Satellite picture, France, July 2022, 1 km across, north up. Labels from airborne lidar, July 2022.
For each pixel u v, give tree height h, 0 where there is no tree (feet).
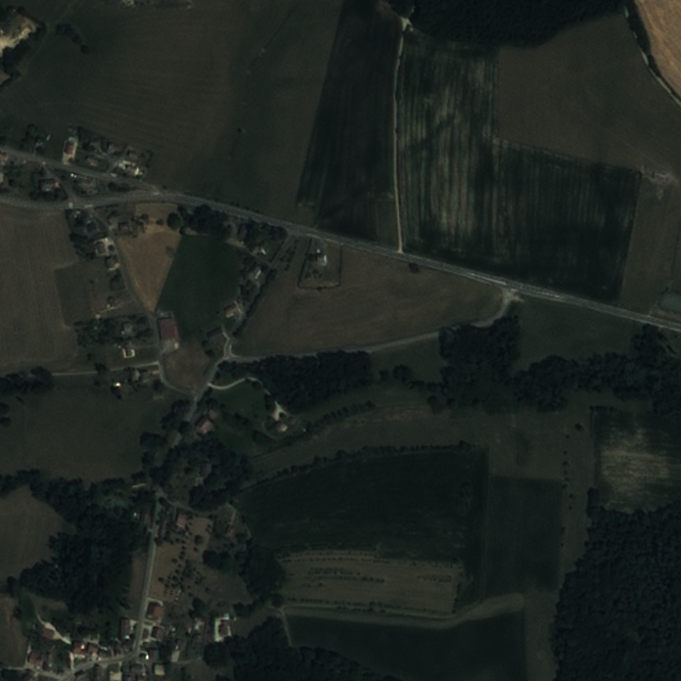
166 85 0
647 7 0
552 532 0
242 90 0
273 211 0
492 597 0
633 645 66
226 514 0
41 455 0
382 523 0
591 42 0
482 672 0
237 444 0
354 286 0
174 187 0
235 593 0
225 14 0
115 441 0
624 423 0
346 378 78
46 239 0
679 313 0
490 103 0
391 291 0
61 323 0
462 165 0
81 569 100
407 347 0
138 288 0
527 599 0
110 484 61
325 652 62
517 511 0
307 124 0
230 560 69
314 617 0
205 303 0
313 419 0
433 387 43
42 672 0
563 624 48
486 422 0
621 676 59
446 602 0
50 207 0
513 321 57
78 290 0
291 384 92
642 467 0
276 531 0
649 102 0
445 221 0
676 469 0
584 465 0
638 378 99
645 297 0
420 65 0
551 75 0
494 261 0
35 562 0
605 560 28
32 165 0
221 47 0
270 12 0
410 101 0
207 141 0
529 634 0
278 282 0
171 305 0
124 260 0
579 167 0
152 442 71
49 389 62
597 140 0
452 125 0
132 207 0
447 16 81
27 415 0
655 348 24
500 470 0
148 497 42
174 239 0
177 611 0
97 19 0
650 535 41
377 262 0
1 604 0
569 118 0
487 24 55
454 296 0
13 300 0
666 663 65
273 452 0
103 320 21
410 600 0
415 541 0
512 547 0
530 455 0
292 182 0
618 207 0
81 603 113
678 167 0
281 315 0
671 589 95
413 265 44
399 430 0
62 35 56
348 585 0
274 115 0
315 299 0
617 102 0
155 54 0
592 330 0
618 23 0
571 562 0
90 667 0
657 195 0
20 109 0
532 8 71
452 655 0
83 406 0
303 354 0
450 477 0
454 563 22
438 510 0
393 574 0
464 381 70
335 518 0
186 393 0
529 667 0
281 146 0
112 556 95
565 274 0
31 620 0
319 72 0
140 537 22
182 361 0
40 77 0
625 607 58
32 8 0
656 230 0
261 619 0
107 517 81
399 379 29
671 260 0
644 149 0
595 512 61
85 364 0
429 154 0
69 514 72
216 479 54
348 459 50
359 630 0
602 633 73
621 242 0
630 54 0
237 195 0
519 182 0
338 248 0
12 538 0
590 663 60
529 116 0
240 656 67
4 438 0
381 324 0
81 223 38
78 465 0
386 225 0
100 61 0
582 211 0
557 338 0
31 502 0
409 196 0
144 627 0
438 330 0
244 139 0
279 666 56
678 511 25
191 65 0
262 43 0
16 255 0
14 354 0
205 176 0
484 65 0
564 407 59
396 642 0
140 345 0
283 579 39
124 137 0
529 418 0
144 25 0
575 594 65
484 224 0
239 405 0
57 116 0
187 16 0
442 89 0
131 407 0
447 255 0
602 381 71
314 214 0
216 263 0
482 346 91
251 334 0
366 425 0
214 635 0
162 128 0
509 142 0
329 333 0
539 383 70
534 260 0
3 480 55
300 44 0
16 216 0
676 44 0
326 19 0
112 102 0
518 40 49
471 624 0
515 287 0
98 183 0
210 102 0
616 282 0
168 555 0
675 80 0
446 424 0
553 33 51
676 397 86
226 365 46
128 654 0
